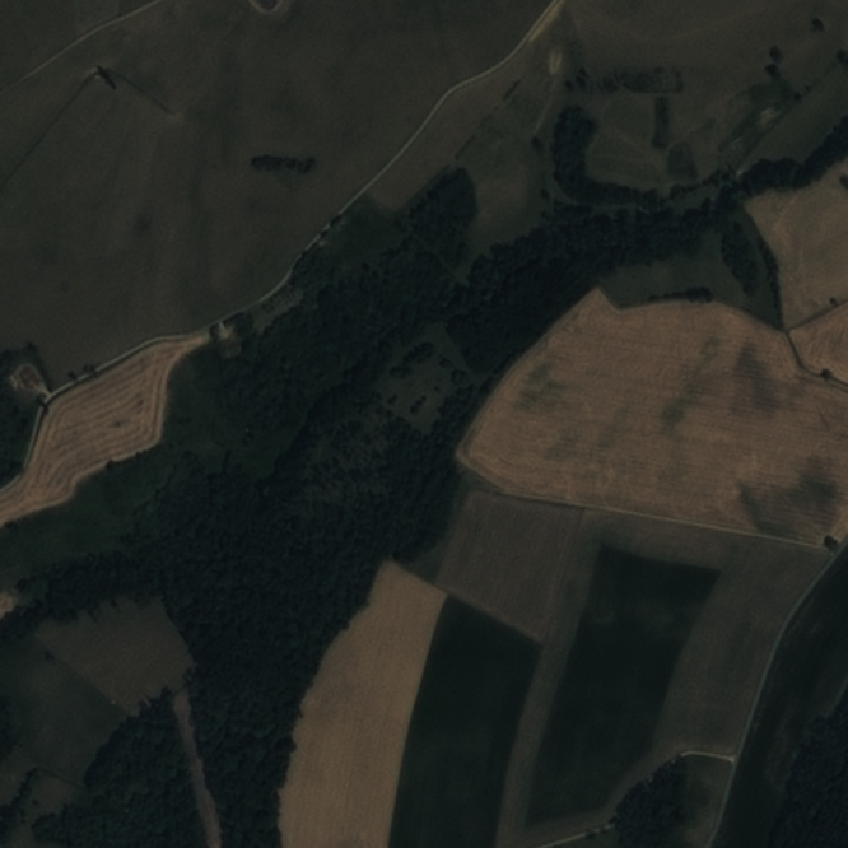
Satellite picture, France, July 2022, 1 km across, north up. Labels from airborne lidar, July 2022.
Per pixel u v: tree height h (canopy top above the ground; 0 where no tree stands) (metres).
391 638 0
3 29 0
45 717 0
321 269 13
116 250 0
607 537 0
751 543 0
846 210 0
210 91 0
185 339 0
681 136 0
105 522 0
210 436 0
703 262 0
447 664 0
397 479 13
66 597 21
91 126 0
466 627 0
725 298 0
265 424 14
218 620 22
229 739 16
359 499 17
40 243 0
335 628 10
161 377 0
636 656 0
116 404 0
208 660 27
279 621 26
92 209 0
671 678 0
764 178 21
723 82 0
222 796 22
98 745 0
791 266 0
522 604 0
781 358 0
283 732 10
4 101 0
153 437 0
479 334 21
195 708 10
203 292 0
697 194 13
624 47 0
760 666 0
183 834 23
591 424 0
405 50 0
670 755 0
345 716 0
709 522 0
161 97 0
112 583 28
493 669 0
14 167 0
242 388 13
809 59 0
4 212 0
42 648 0
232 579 26
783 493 0
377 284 15
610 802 0
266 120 0
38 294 0
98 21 0
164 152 0
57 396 0
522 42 0
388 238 0
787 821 20
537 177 0
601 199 17
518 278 13
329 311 24
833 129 0
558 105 0
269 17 0
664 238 28
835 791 17
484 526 0
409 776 0
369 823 0
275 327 7
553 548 0
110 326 0
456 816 0
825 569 0
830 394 0
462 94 0
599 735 0
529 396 0
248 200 0
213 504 24
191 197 0
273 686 24
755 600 0
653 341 0
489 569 0
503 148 0
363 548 16
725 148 0
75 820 11
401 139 0
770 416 0
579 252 28
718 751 0
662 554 0
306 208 0
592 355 0
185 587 29
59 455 0
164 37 0
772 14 0
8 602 0
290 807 0
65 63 0
